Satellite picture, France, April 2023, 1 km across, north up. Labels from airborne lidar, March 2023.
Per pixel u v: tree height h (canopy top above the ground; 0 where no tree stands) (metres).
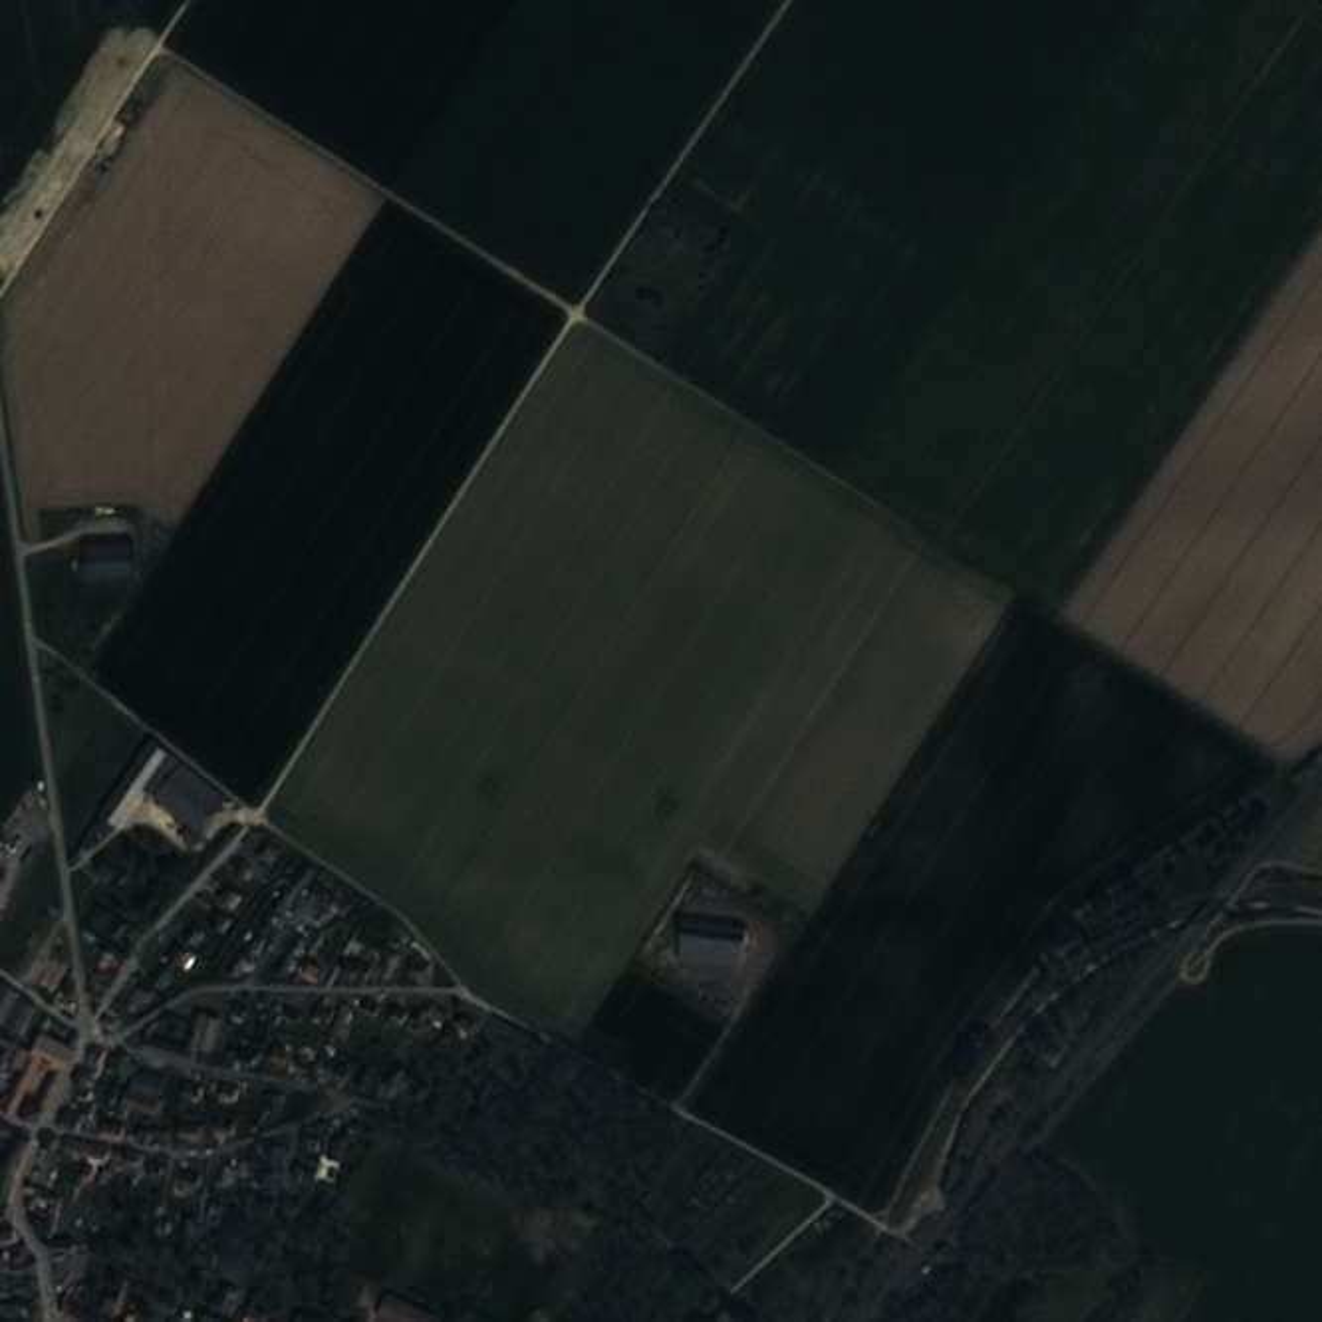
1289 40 0
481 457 0
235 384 0
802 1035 0
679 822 0
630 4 0
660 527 0
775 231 0
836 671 0
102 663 0
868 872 0
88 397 0
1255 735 0
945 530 0
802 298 0
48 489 0
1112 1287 0
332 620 0
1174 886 0
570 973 0
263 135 0
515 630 0
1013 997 0
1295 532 0
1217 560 0
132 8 0
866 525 0
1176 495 0
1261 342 0
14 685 0
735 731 0
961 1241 0
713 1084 0
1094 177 0
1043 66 0
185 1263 14
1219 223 0
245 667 0
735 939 0
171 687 0
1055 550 0
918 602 0
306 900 0
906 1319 25
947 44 0
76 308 0
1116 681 0
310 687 0
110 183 0
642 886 0
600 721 0
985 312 0
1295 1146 0
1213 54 0
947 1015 0
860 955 0
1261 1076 0
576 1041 0
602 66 0
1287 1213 0
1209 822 0
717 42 0
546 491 0
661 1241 26
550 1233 0
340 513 0
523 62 0
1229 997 0
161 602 0
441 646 0
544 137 0
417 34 0
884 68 0
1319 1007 0
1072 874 0
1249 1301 0
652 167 0
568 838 0
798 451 0
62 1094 0
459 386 0
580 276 0
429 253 0
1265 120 0
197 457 0
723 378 0
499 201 0
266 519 0
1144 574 0
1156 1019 0
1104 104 0
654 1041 0
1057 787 0
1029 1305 23
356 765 0
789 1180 0
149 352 0
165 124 0
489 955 0
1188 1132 0
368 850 0
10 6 0
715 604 0
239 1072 0
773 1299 20
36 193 0
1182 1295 0
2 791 0
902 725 0
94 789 0
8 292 0
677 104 0
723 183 0
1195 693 0
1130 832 0
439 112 0
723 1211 0
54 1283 0
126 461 0
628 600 0
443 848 0
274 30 0
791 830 0
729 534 0
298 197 0
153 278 0
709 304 0
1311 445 0
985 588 0
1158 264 0
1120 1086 0
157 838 8
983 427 0
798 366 0
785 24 0
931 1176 0
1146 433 0
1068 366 0
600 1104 31
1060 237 0
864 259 0
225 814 0
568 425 0
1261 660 0
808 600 0
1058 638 0
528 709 0
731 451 0
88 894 0
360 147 0
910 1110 0
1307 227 0
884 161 0
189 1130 0
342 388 0
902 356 0
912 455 0
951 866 0
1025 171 0
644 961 0
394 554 0
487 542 0
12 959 0
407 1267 0
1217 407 0
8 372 0
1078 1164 0
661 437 0
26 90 0
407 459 0
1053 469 0
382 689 0
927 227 0
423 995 0
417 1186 0
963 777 0
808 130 0
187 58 0
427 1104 7
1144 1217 0
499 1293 0
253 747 0
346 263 0
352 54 0
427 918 0
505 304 0
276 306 0
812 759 0
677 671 0
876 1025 0
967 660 0
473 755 0
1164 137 0
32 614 0
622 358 0
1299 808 0
